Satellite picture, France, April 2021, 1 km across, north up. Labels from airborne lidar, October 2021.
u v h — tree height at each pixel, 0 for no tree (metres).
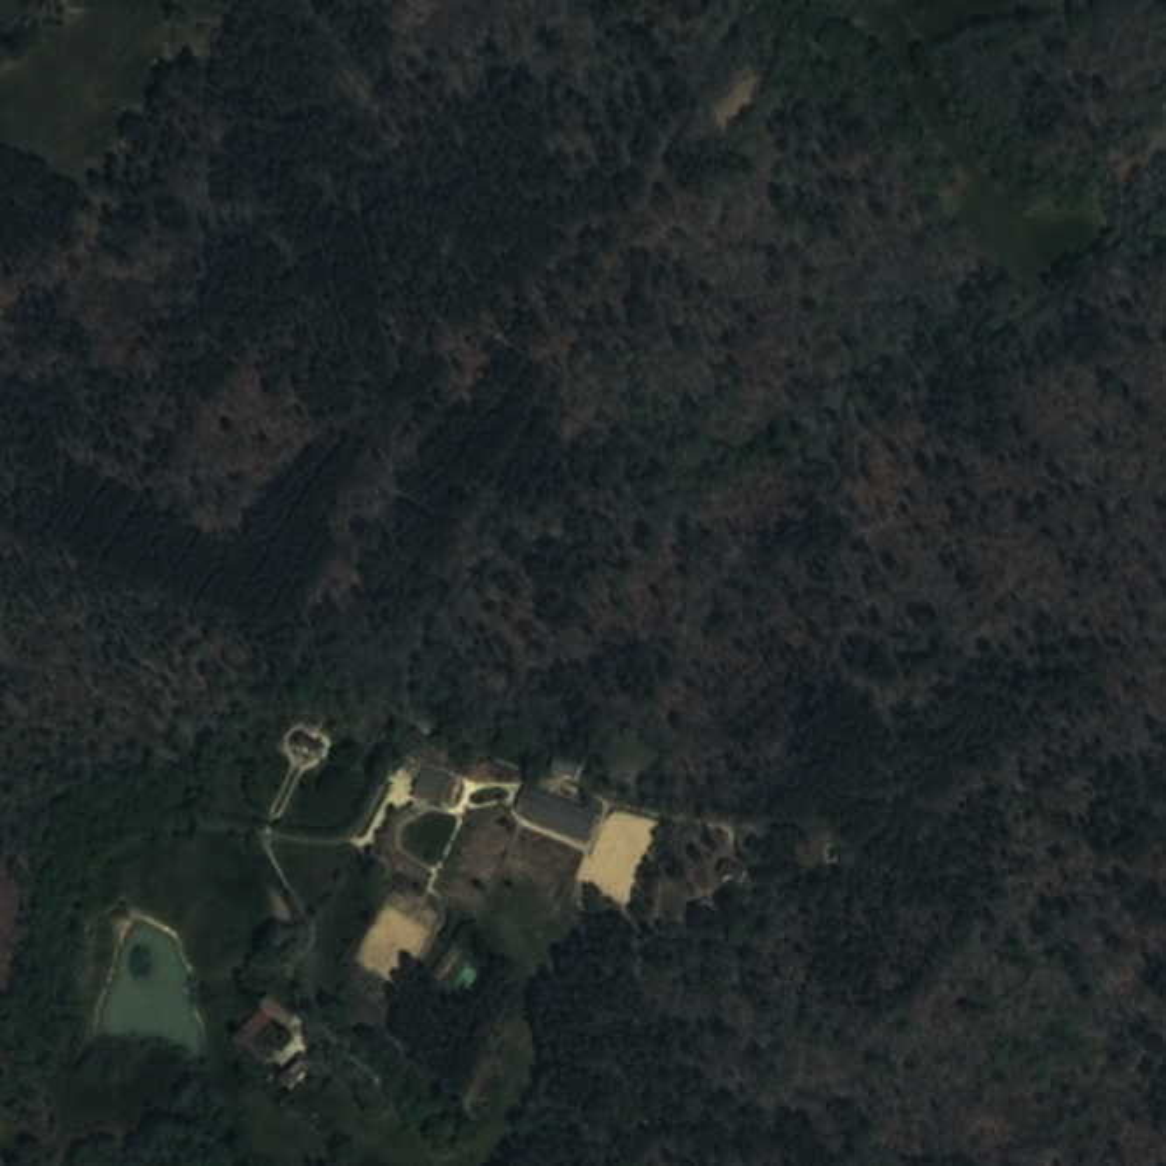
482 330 12
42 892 20
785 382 18
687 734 11
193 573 18
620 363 18
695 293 22
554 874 0
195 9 0
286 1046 9
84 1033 24
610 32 19
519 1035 0
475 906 0
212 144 12
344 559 9
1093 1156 8
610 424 20
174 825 20
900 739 12
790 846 21
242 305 19
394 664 17
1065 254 0
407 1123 20
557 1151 30
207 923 0
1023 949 24
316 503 17
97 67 0
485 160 23
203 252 12
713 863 9
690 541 27
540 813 0
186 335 21
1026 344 16
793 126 24
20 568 15
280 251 11
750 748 9
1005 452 12
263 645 21
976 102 27
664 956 19
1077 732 17
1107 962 14
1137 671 22
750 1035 10
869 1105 13
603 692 21
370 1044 18
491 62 20
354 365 26
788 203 26
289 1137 0
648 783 13
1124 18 16
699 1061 21
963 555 6
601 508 13
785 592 11
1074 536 8
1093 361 22
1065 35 19
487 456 20
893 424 22
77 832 20
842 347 14
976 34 17
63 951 19
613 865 0
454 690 19
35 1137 6
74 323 14
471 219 20
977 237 0
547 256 22
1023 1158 16
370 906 11
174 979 0
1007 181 16
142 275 12
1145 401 9
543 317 19
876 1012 18
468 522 9
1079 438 9
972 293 11
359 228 19
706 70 14
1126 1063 19
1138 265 16
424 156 20
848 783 22
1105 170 14
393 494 20
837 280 9
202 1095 11
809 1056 15
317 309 17
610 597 9
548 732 12
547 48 18
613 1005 26
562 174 24
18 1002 20
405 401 19
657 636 7
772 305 9
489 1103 0
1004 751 25
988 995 18
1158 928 22
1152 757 10
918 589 9
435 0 11
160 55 0
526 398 17
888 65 28
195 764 13
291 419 9
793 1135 24
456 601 25
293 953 18
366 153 22
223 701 16
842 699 24
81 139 0
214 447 6
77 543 20
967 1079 12
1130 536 9
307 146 21
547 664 12
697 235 16
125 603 17
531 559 0
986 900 11
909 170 14
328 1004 14
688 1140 24
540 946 0
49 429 18
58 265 13
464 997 0
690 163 20
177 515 17
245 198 19
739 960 8
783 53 20
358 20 11
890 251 12
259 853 7
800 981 14
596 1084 13
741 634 9
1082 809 14
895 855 16
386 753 14
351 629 0
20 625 16
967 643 8
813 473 19
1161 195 17
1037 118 24
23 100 0
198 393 17
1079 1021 18
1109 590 16
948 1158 9
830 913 22
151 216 19
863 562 25
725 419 16
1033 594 10
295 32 23
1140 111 17
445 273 24
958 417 23
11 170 18
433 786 0
